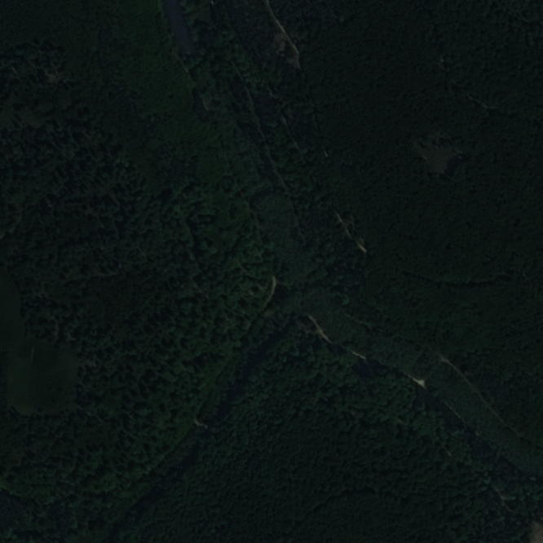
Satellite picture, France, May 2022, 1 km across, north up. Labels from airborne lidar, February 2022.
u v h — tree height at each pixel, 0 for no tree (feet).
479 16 77
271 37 30
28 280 75
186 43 0
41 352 0
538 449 58
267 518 82
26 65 113
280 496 78
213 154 66
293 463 88
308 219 33
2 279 0
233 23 113
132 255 111
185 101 89
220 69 98
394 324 76
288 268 78
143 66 89
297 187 47
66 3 59
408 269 66
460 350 90
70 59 59
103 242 127
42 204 0
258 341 62
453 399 55
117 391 38
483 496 119
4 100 56
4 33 54
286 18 63
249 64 80
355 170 63
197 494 94
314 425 91
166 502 98
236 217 55
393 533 88
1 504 127
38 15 52
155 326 124
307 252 73
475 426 67
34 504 121
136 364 126
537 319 67
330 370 115
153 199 121
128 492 89
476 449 133
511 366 66
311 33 97
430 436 106
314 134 42
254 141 129
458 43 89
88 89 58
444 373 67
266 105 115
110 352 112
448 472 106
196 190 106
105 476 104
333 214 63
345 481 80
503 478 132
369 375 107
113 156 114
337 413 96
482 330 90
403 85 76
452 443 112
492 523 132
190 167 70
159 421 107
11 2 59
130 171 106
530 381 68
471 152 82
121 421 26
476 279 58
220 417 56
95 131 112
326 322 86
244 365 26
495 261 64
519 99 83
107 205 116
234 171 36
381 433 102
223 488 81
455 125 75
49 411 0
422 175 72
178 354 115
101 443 25
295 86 59
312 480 89
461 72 86
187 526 92
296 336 22
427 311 79
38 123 0
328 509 80
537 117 72
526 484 117
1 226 47
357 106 62
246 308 107
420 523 85
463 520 109
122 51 67
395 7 82
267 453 86
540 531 0
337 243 37
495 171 80
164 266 124
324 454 78
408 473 99
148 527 100
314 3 112
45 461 52
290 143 60
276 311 68
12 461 30
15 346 0
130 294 35
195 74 69
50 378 0
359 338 25
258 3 29
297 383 77
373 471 81
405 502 101
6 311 0
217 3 74
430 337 50
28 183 118
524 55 86
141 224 119
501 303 84
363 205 60
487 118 81
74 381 0
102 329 27
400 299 60
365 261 64
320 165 59
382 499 88
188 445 66
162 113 75
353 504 84
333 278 94
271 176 119
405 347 87
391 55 83
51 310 93
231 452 91
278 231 67
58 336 0
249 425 101
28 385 0
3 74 106
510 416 73
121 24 73
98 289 39
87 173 115
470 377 66
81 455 110
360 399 113
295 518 69
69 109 35
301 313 73
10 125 0
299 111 38
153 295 24
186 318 115
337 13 92
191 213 79
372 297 64
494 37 79
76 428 125
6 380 28
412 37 75
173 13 0
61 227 85
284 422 80
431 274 66
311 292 75
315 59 63
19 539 103
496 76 90
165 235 118
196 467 102
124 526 80
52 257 109
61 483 116
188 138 70
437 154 0
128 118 67
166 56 85
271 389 105
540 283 71
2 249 50
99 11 60
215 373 44
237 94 94
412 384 40
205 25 54
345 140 72
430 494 97
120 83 67
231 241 59
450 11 87
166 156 76
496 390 62
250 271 112
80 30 58
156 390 116
